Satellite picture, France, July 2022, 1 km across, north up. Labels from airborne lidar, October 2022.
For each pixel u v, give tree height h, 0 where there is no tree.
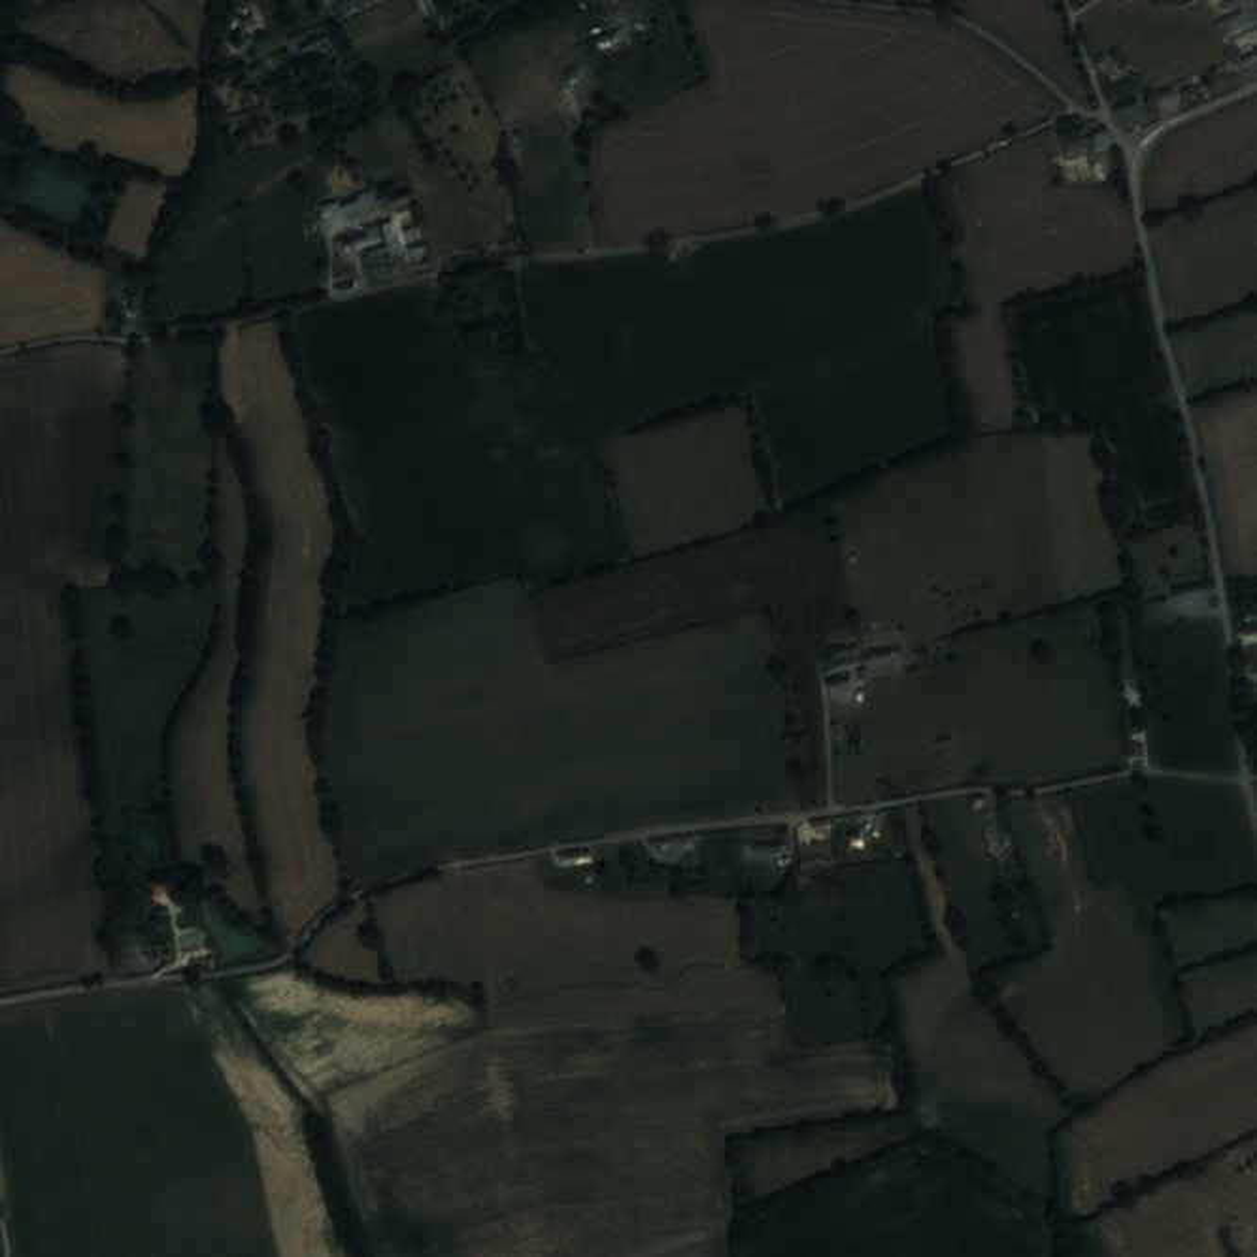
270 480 0
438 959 0
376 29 0
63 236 15
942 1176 0
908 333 0
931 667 0
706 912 0
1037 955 6
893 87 0
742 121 0
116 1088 0
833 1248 0
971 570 0
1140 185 0
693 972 0
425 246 0
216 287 0
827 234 0
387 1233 0
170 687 0
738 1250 13
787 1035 0
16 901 0
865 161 0
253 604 18
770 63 0
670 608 0
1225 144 0
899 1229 0
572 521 0
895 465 11
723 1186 0
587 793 0
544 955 0
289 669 0
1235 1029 6
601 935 0
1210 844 0
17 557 0
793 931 0
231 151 8
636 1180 0
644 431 7
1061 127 7
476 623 0
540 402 0
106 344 12
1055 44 0
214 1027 0
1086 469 0
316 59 15
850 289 0
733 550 0
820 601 0
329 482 11
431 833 0
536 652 0
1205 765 0
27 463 0
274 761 0
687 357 0
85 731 15
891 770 0
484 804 0
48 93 0
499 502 0
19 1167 0
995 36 0
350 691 0
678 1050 0
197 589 10
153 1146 0
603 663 0
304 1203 0
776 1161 0
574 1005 0
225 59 7
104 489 0
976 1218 0
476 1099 0
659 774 0
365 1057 0
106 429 0
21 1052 0
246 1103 0
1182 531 0
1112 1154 0
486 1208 0
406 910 0
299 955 9
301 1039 0
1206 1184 0
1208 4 0
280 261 0
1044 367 0
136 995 0
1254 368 0
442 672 0
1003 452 0
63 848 0
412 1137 0
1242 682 12
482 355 0
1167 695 0
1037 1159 0
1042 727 0
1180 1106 0
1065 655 0
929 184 12
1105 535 0
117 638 10
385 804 0
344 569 19
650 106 0
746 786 0
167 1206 0
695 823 0
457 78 0
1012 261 0
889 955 0
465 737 0
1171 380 7
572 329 0
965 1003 0
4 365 0
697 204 0
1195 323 9
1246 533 0
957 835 0
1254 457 0
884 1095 0
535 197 0
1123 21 0
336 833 15
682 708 0
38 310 0
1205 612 0
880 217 0
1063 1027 0
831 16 0
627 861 11
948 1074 0
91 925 0
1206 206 7
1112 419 0
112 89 14
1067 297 14
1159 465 0
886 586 0
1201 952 0
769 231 11
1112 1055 0
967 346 0
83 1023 0
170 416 0
